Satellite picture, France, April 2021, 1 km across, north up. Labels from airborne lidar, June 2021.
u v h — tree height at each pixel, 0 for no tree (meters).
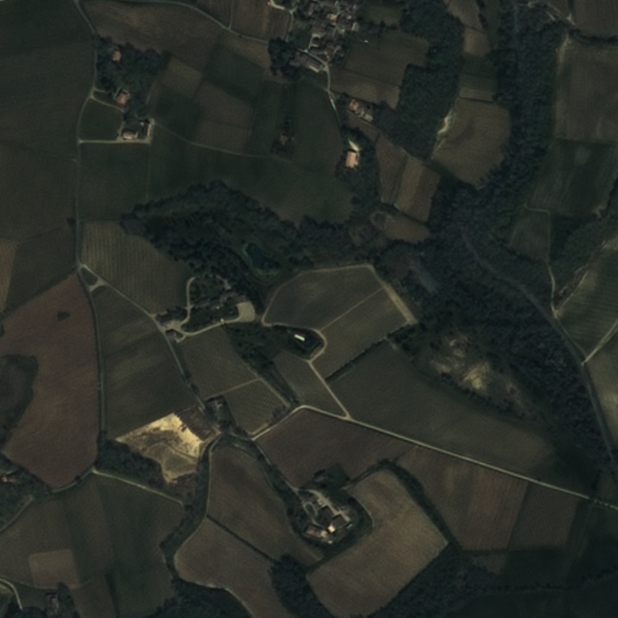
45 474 0
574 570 0
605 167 0
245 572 0
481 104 0
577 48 0
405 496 0
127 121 15
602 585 0
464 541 0
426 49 0
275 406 0
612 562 0
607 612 0
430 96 16
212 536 0
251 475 0
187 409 0
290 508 7
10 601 0
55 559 0
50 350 0
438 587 9
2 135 0
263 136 0
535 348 10
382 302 0
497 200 24
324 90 0
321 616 19
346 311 0
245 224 11
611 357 0
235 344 0
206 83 0
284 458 0
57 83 0
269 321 0
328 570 0
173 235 15
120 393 0
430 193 0
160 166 0
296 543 0
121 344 0
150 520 0
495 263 23
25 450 0
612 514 0
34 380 0
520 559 0
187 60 0
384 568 0
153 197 0
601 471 7
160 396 0
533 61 22
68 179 0
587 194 0
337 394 0
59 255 0
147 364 0
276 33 0
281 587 19
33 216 0
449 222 21
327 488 10
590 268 0
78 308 0
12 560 0
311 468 0
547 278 11
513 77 16
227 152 0
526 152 28
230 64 0
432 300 13
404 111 15
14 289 0
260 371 6
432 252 21
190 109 0
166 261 0
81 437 0
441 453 0
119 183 0
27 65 0
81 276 0
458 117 0
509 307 16
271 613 0
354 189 13
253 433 0
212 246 7
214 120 0
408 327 7
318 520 7
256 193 0
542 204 0
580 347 0
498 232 13
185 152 0
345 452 0
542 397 0
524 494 0
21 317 0
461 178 0
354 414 0
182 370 0
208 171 0
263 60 0
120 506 0
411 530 0
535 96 23
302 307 0
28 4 0
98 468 11
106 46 16
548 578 0
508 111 0
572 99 0
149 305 0
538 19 13
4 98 0
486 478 0
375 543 0
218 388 0
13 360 0
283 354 0
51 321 0
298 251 26
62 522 0
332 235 23
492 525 0
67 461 0
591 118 0
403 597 11
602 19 0
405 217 0
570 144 0
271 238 17
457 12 0
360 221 12
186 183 0
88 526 0
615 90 0
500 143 0
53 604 0
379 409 0
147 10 0
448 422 0
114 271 0
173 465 0
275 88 0
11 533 0
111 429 0
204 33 0
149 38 0
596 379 0
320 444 0
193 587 9
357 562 0
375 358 0
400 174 0
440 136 8
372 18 0
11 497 20
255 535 0
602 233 10
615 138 0
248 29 0
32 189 0
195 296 7
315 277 0
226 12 0
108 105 0
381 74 0
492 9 0
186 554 0
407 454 0
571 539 0
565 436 0
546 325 16
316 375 0
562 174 0
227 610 8
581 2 0
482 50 0
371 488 0
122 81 19
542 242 0
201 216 15
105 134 0
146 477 18
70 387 0
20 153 0
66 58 0
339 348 0
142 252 0
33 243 0
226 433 18
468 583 6
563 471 0
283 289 0
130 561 0
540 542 0
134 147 0
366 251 17
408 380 0
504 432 0
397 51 0
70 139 0
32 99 0
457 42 23
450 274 25
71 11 0
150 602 0
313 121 0
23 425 0
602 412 0
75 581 0
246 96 0
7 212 0
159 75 19
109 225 0
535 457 0
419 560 0
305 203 0
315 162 0
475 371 0
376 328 0
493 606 0
